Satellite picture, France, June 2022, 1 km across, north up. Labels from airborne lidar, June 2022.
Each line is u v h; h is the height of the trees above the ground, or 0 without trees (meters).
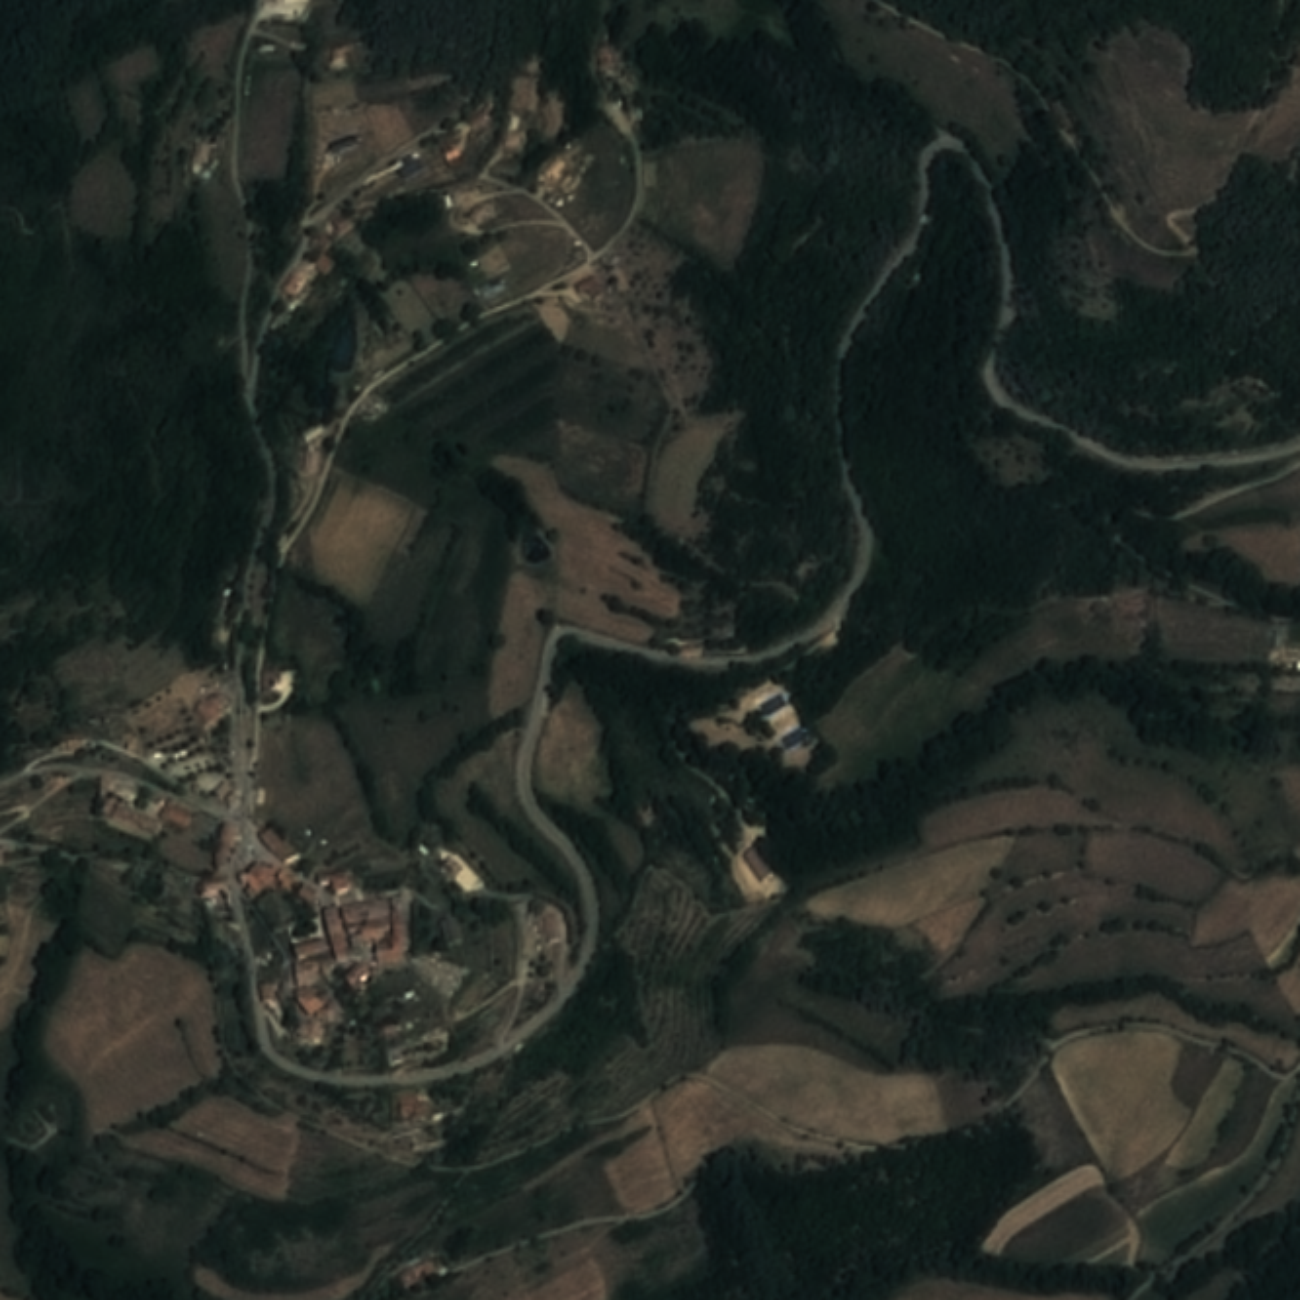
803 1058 0
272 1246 0
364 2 7
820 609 7
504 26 17
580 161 0
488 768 0
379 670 9
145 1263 0
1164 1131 0
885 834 14
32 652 9
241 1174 0
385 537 0
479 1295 0
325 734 0
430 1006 0
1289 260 15
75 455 7
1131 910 0
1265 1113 0
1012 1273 20
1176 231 0
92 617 8
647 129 7
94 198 0
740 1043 0
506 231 6
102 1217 13
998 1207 9
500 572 0
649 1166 0
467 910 11
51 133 11
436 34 16
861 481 16
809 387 10
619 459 0
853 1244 8
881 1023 0
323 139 0
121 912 0
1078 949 0
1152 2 13
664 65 14
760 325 13
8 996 0
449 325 12
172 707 0
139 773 0
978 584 12
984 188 19
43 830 0
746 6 0
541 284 0
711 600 7
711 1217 13
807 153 8
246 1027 9
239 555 7
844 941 5
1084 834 6
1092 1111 0
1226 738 13
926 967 7
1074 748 0
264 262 10
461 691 0
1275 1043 0
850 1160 8
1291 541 0
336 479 0
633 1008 7
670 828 8
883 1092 0
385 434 0
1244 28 12
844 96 23
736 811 10
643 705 10
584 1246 0
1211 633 0
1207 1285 12
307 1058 7
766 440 12
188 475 7
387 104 0
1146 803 0
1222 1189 0
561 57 8
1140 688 25
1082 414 10
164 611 8
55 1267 24
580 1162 0
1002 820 0
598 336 0
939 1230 9
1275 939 0
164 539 12
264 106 0
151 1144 0
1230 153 0
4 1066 0
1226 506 0
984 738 18
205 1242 5
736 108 12
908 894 0
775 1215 15
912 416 18
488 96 13
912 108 14
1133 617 0
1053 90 14
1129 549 15
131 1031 0
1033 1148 10
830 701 14
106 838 0
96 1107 0
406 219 12
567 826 10
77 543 9
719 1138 0
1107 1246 0
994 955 0
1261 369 10
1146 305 13
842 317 17
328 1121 0
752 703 0
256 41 6
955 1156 14
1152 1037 0
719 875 7
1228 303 14
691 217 0
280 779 0
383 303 12
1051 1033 10
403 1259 6
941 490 15
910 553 10
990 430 14
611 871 10
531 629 0
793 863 12
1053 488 18
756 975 0
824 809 16
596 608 0
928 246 14
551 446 0
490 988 0
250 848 0
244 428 8
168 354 8
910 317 11
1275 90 12
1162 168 0
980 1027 8
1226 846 0
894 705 0
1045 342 11
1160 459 11
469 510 0
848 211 16
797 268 12
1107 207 10
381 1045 8
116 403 8
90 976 0
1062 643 0
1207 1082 0
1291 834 0
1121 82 0
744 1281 17
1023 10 16
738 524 8
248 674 11
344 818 0
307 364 10
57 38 24
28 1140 0
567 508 0
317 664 0
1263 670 9
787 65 22
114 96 8
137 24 9
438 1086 9
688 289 6
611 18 13
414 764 0
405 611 0
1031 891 0
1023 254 10
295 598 0
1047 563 12
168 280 15
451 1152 8
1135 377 9
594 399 0
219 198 0
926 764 16
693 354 7
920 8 11
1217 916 0
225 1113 0
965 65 0
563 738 0
